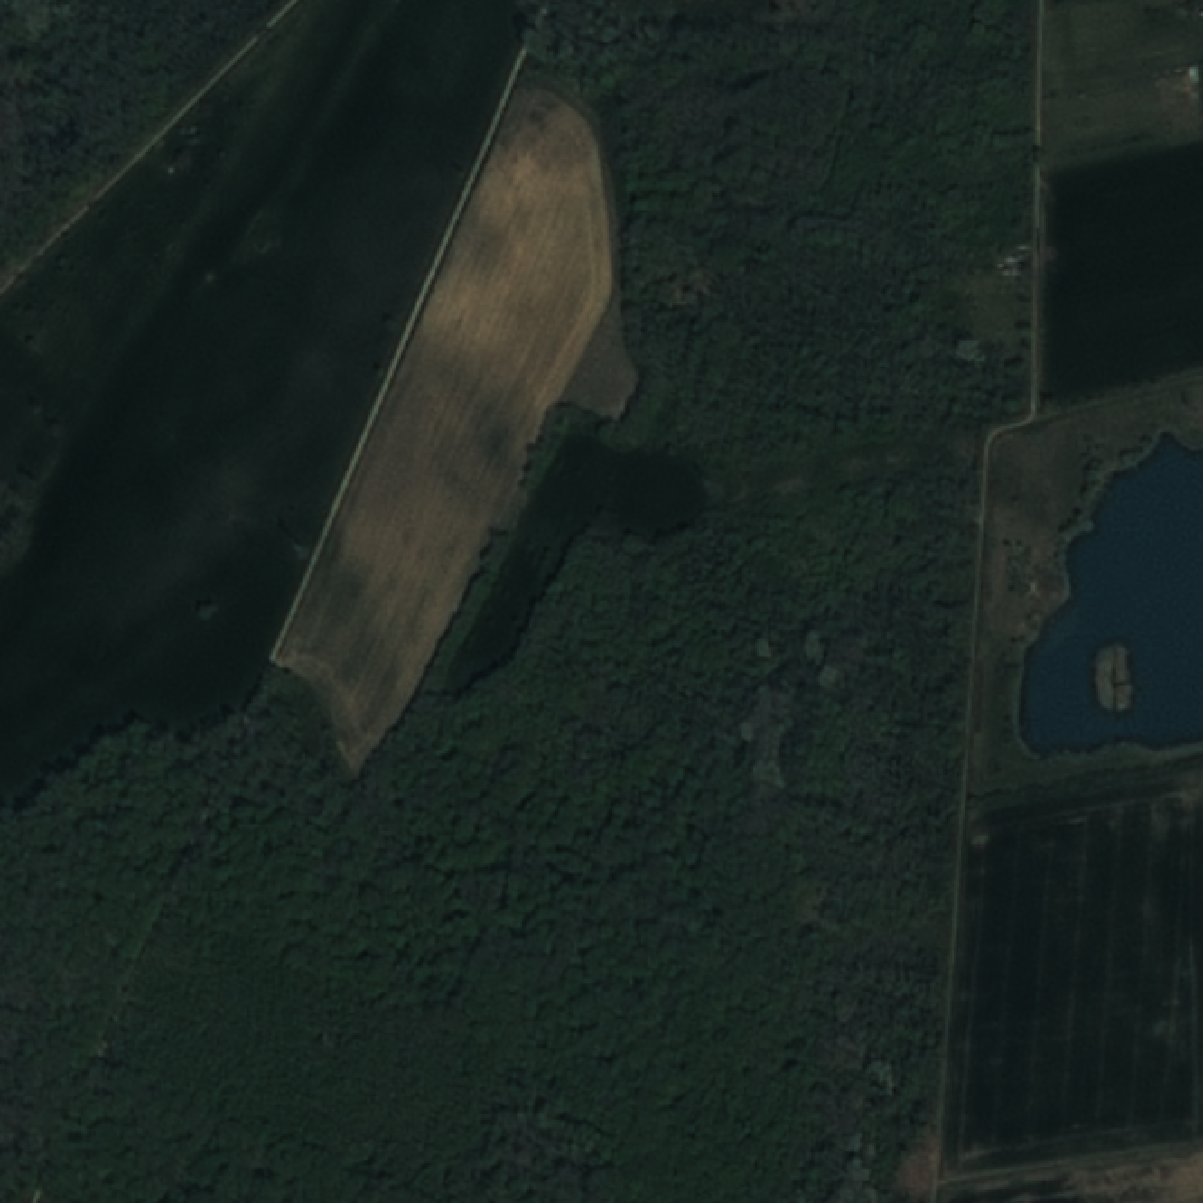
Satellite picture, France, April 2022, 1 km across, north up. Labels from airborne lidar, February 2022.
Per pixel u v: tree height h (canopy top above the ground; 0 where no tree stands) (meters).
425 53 0
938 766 27
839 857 12
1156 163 0
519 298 0
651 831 21
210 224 0
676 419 6
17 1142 22
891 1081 38
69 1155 25
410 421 0
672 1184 26
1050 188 0
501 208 0
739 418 21
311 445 0
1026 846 0
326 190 0
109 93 25
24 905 23
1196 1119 0
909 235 7
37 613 0
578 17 29
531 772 26
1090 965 0
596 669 28
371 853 22
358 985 11
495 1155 16
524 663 21
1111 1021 0
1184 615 0
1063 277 0
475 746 25
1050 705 0
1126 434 0
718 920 21
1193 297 0
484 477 0
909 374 19
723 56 23
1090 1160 0
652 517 0
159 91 20
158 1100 27
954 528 17
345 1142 17
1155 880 0
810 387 22
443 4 0
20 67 26
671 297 16
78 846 26
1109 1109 0
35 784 0
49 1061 26
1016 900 0
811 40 25
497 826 23
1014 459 0
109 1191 23
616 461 0
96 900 25
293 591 0
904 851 24
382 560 0
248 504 0
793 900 20
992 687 0
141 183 0
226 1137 26
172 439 0
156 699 0
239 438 0
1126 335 0
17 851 22
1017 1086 0
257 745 25
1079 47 0
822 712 17
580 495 0
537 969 30
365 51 0
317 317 0
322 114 0
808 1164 26
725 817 21
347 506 0
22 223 23
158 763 18
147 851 23
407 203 0
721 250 16
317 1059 17
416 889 21
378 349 0
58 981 25
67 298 0
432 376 0
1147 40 0
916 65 24
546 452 13
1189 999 0
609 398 0
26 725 0
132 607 0
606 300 0
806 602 18
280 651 0
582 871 22
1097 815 0
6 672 0
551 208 0
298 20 0
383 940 23
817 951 20
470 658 0
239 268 0
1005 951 0
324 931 22
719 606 11
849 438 18
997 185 7
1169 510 0
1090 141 0
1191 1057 0
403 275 0
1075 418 0
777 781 24
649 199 13
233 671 0
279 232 0
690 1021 22
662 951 25
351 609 0
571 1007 20
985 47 8
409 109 0
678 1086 26
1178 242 0
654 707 21
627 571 20
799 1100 22
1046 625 0
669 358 20
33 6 27
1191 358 0
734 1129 24
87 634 0
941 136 8
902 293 16
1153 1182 0
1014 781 0
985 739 0
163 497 0
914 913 17
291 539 0
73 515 0
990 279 0
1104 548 0
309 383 0
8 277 22
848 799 18
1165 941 0
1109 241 0
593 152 0
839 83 20
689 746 27
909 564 13
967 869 0
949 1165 0
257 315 0
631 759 24
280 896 23
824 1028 21
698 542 19
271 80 0
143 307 0
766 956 19
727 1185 21
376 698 0
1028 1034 0
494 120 0
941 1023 14
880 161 6
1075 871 0
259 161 0
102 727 0
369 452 0
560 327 0
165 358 0
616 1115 26
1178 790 0
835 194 6
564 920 24
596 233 0
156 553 0
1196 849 0
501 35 0
